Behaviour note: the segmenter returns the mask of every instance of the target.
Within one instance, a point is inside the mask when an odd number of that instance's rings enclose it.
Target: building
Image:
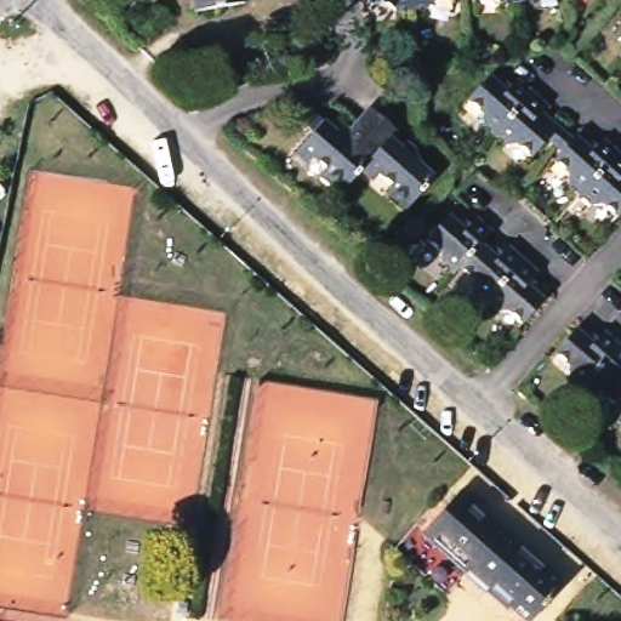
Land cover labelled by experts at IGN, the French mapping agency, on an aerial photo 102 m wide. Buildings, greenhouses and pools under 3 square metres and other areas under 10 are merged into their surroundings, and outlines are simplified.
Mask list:
[[[417,12],[429,12],[434,0],[388,0],[403,10]]]
[[[213,10],[218,0],[177,0],[180,7],[189,5],[199,12]]]
[[[548,87],[543,80],[529,80],[526,75],[517,75],[514,70],[497,68],[490,78],[480,82],[478,90],[473,90],[468,102],[475,102],[475,104],[480,104],[480,109],[483,109],[483,116],[480,116],[480,126],[488,129],[495,138],[502,138],[505,150],[514,160],[517,160],[524,160],[541,150],[541,141],[548,138],[556,148],[556,163],[563,163],[568,167],[568,177],[563,182],[572,184],[575,196],[609,204],[616,209],[616,216],[621,213],[621,133],[602,129],[597,124],[580,121],[580,114],[575,109],[558,104],[553,87]]]
[[[410,257],[410,264],[417,267],[415,279],[422,286],[427,291],[434,291],[439,277],[454,272],[461,274],[456,284],[461,298],[471,301],[471,306],[483,320],[490,320],[500,313],[502,320],[509,325],[524,323],[534,308],[539,308],[546,298],[558,294],[560,284],[548,269],[548,260],[531,243],[502,233],[500,216],[490,209],[492,201],[490,192],[480,187],[480,189],[478,189],[478,206],[475,206],[478,213],[475,218],[463,221],[463,233],[451,235],[444,226],[439,226],[441,245],[432,240],[420,240],[412,243],[405,252]]]
[[[466,485],[454,497],[446,512],[427,529],[425,543],[432,543],[432,548],[437,548],[446,560],[454,563],[454,572],[475,572],[488,585],[488,594],[497,599],[502,606],[541,611],[548,597],[556,597],[577,575],[575,563],[570,563],[560,553],[560,548],[548,539],[546,529],[534,529],[500,495],[495,495],[492,488],[473,478],[471,485]]]
[[[621,449],[621,325],[602,320],[597,315],[587,315],[570,335],[570,340],[553,357],[553,364],[563,374],[568,374],[568,381],[599,400],[602,422],[616,425],[616,441]]]
[[[531,2],[534,7],[541,7],[541,0],[497,0],[514,5]]]
[[[298,167],[301,172],[306,172],[315,184],[332,184],[344,180],[352,182],[361,175],[369,180],[371,189],[395,199],[403,211],[410,209],[427,192],[429,182],[437,182],[449,167],[446,158],[437,148],[417,141],[408,121],[405,104],[383,102],[381,97],[371,107],[361,107],[357,119],[349,126],[344,126],[337,119],[337,112],[327,104],[330,95],[335,92],[335,80],[320,73],[311,80],[284,87],[284,92],[274,99],[306,107],[308,126],[303,126],[296,136],[296,141],[286,150],[286,163],[289,167]]]

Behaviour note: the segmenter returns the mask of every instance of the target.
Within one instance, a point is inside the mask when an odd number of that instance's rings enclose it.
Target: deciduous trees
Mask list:
[[[184,604],[189,570],[196,565],[187,536],[177,534],[175,522],[153,522],[148,526],[143,546],[138,548],[143,553],[143,565],[136,572],[136,582],[150,602]]]
[[[303,49],[308,44],[315,44],[325,32],[337,27],[337,22],[347,15],[344,0],[296,0],[289,7],[294,46]]]
[[[150,46],[155,39],[172,29],[177,24],[177,17],[160,7],[160,0],[95,0],[95,19],[99,15],[119,17],[126,34],[143,46]]]
[[[560,449],[577,458],[587,449],[594,449],[594,444],[599,441],[602,422],[599,400],[568,381],[558,386],[553,393],[548,393],[546,405],[539,405],[534,415],[539,417],[541,429],[536,434],[546,434]]]
[[[446,349],[468,349],[475,352],[478,361],[485,366],[502,364],[509,352],[517,349],[509,325],[502,320],[500,313],[490,320],[483,320],[471,306],[471,301],[461,298],[456,298],[454,303],[429,303],[422,313],[420,332],[444,354]]]
[[[417,267],[410,264],[410,257],[405,252],[364,238],[359,245],[357,262],[349,269],[369,294],[395,298],[400,291],[408,289],[417,294],[422,286],[415,279]]]

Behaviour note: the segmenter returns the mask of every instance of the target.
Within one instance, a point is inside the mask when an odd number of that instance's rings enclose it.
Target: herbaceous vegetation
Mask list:
[[[483,167],[483,175],[488,180],[495,180],[500,175],[497,170],[505,170],[514,160],[505,150],[502,138],[495,138],[495,146],[490,150],[490,165]]]
[[[383,536],[383,541],[398,539],[405,543],[405,534],[420,522],[420,517],[427,509],[432,509],[444,497],[449,485],[454,485],[466,473],[466,468],[473,468],[473,463],[451,446],[451,434],[441,432],[441,425],[429,427],[420,417],[422,410],[415,410],[415,405],[395,400],[376,403],[366,478],[357,512]]]
[[[27,17],[19,15],[7,17],[0,24],[0,39],[32,36],[34,27]]]
[[[434,611],[415,609],[410,611],[412,621],[446,621],[446,606]]]
[[[602,616],[611,614],[621,619],[621,597],[611,592],[599,577],[594,577],[582,587],[582,592],[572,599],[570,606],[589,609]]]
[[[180,53],[218,46],[226,53],[235,85],[240,87],[245,85],[247,65],[257,56],[262,56],[260,49],[245,46],[247,36],[252,32],[260,32],[260,22],[267,22],[272,12],[289,7],[296,0],[218,0],[213,10],[199,12],[189,5],[180,7],[177,0],[160,0],[160,7],[177,17],[177,24],[172,29],[180,36],[172,46]]]
[[[73,611],[80,609],[82,592],[97,594],[99,582],[136,582],[136,572],[143,565],[143,553],[138,548],[143,546],[148,526],[153,522],[82,507],[75,570],[65,606]]]
[[[391,587],[403,572],[403,568],[395,565],[398,556],[398,551],[391,551],[381,543],[378,556],[383,589]]]
[[[458,138],[451,129],[454,116],[439,112],[434,104],[437,90],[449,70],[449,63],[454,61],[456,46],[466,46],[471,39],[468,15],[463,10],[449,17],[446,22],[432,19],[429,12],[417,12],[415,19],[395,22],[395,32],[412,36],[415,41],[415,51],[405,63],[408,70],[422,80],[422,85],[429,92],[427,126],[432,126],[446,143],[451,143],[454,138]]]
[[[485,366],[478,361],[475,352],[468,349],[446,349],[444,354],[456,369],[461,369],[471,378],[478,378]]]
[[[604,478],[594,488],[606,500],[611,500],[621,512],[621,488],[616,485],[616,480]]]
[[[126,58],[138,56],[143,46],[126,34],[119,17],[99,15],[95,19],[95,0],[68,0],[70,7]]]
[[[495,34],[492,49],[505,46],[514,5],[497,0],[480,0],[480,5],[485,7],[480,27]]]
[[[102,180],[109,184],[124,184],[133,189],[119,296],[192,306],[204,311],[218,311],[226,315],[216,371],[228,376],[228,393],[221,417],[211,492],[180,500],[175,505],[175,522],[177,534],[187,536],[196,565],[199,575],[209,582],[213,570],[226,563],[230,548],[230,517],[226,512],[226,495],[230,483],[230,458],[245,378],[262,383],[260,378],[267,371],[286,371],[308,378],[369,386],[371,374],[361,369],[357,361],[352,361],[347,352],[337,342],[332,342],[323,330],[313,327],[286,298],[281,298],[279,294],[269,296],[264,291],[255,291],[252,269],[233,250],[223,247],[192,213],[187,213],[180,206],[172,211],[158,209],[153,204],[153,194],[148,192],[150,177],[146,177],[126,158],[121,158],[114,146],[109,146],[97,131],[92,131],[61,99],[56,99],[51,85],[36,87],[27,97],[10,102],[5,107],[5,119],[0,121],[0,279],[22,177],[32,180],[34,172],[53,172],[68,177]]]
[[[357,262],[359,245],[364,238],[405,252],[412,243],[420,240],[432,240],[441,245],[439,226],[444,226],[451,235],[463,233],[463,221],[475,218],[478,213],[475,206],[471,206],[471,209],[463,209],[463,206],[458,206],[456,201],[454,201],[454,199],[434,201],[427,192],[410,209],[403,211],[395,199],[371,189],[369,180],[361,175],[352,182],[344,180],[332,184],[342,192],[347,216],[361,230],[349,233],[335,223],[335,218],[325,218],[318,213],[315,199],[311,194],[303,194],[301,189],[291,187],[279,175],[264,172],[262,160],[252,150],[235,148],[228,155],[230,163],[240,172],[245,172],[257,189],[262,189],[274,204],[279,204],[313,240],[318,240],[349,269]]]
[[[621,449],[616,441],[616,425],[602,422],[599,441],[609,456],[621,458]]]
[[[556,7],[556,0],[541,0],[541,7],[539,24],[546,29],[558,27],[560,12]]]
[[[548,138],[541,141],[541,150],[524,160],[517,160],[524,167],[524,184],[546,184],[546,172],[556,163],[556,148]]]
[[[563,374],[553,364],[553,357],[570,340],[570,335],[558,332],[553,342],[543,349],[543,357],[526,374],[526,378],[517,383],[517,388],[534,398],[539,405],[546,405],[548,393],[553,393],[558,386],[568,381],[568,374]]]
[[[262,155],[272,158],[277,165],[286,163],[286,150],[296,141],[296,136],[286,136],[281,131],[269,131],[262,136],[262,146],[267,146]]]
[[[434,291],[427,291],[422,286],[417,294],[408,289],[400,291],[395,298],[400,298],[412,311],[410,327],[420,332],[422,313],[429,303],[454,303],[456,298],[461,298],[456,284],[461,274],[454,272],[439,277]]]
[[[582,0],[587,27],[580,41],[572,46],[565,44],[558,56],[577,65],[585,73],[585,78],[604,87],[621,104],[621,0]],[[597,34],[604,36],[606,49],[599,53],[599,61],[589,65],[582,58],[577,58],[577,53],[587,49]]]

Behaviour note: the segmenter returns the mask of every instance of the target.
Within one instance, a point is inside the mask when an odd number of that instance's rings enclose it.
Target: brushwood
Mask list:
[[[240,87],[235,85],[226,53],[218,46],[180,53],[172,46],[153,61],[148,78],[175,107],[184,112],[211,109],[235,97]]]
[[[548,218],[546,230],[563,240],[570,250],[575,250],[580,260],[594,255],[621,228],[621,213],[616,216],[611,221],[582,221],[572,216],[568,209],[560,209],[553,192],[546,184],[524,184],[524,167],[517,160],[514,160],[505,170],[497,170],[500,175],[495,180],[488,180],[483,175],[483,167],[490,165],[490,150],[495,146],[495,138],[488,129],[480,126],[478,126],[478,129],[473,129],[473,126],[468,126],[466,121],[463,121],[466,102],[468,102],[473,90],[478,90],[480,82],[490,78],[497,68],[514,70],[517,65],[522,65],[522,61],[536,56],[558,56],[565,44],[572,46],[580,41],[587,27],[582,0],[556,0],[556,7],[560,12],[558,27],[546,29],[539,24],[541,7],[534,7],[531,2],[514,5],[505,46],[492,49],[495,34],[480,27],[485,7],[480,5],[480,0],[456,0],[463,10],[468,15],[471,39],[466,46],[456,46],[454,61],[449,63],[449,70],[437,90],[434,104],[439,112],[454,116],[451,129],[458,138],[454,138],[451,143],[446,143],[432,126],[427,126],[429,92],[422,85],[422,80],[408,70],[405,63],[415,51],[415,41],[412,36],[395,32],[395,22],[376,22],[376,17],[366,17],[361,27],[354,27],[354,36],[366,39],[366,75],[378,87],[383,87],[381,97],[383,102],[405,104],[408,121],[417,141],[437,148],[446,158],[449,167],[437,182],[429,182],[427,192],[434,201],[454,199],[456,199],[456,196],[461,196],[463,192],[466,192],[466,189],[468,189],[468,187],[471,187],[471,184],[480,184],[480,187],[490,192],[492,201],[531,201]]]
[[[599,441],[594,444],[594,449],[587,449],[577,458],[580,463],[599,468],[604,478],[616,480],[616,485],[621,488],[621,458],[609,456]]]
[[[209,582],[199,575],[196,565],[189,570],[184,604],[189,611],[184,621],[209,621],[204,611],[209,604]]]
[[[570,606],[558,621],[621,621],[621,619],[611,614],[602,616],[589,609]]]
[[[410,611],[415,609],[434,611],[446,606],[446,597],[434,587],[429,570],[415,570],[405,558],[398,556],[395,565],[403,568],[403,572],[391,587],[383,589],[378,599],[378,614],[374,621],[412,621]]]
[[[238,112],[223,124],[226,138],[221,150],[226,150],[228,155],[235,148],[252,150],[262,160],[264,172],[279,175],[291,187],[301,189],[303,194],[311,194],[315,199],[318,213],[325,218],[335,218],[335,223],[349,233],[361,230],[347,216],[342,192],[332,184],[315,184],[306,172],[301,172],[298,167],[289,167],[286,163],[277,165],[272,158],[262,155],[267,146],[262,146],[262,136],[269,131],[281,131],[286,136],[296,136],[303,126],[308,126],[306,107],[274,99],[257,109]]]
[[[582,58],[589,65],[599,61],[599,53],[606,49],[604,36],[597,34],[587,49],[577,53],[577,58]]]
[[[257,56],[247,65],[245,85],[284,87],[311,80],[320,73],[323,63],[332,63],[342,51],[344,39],[337,34],[337,27],[325,32],[315,44],[308,44],[303,49],[294,46],[289,7],[272,12],[267,22],[260,22],[260,32],[252,32],[247,36],[245,46],[260,49],[262,56]]]

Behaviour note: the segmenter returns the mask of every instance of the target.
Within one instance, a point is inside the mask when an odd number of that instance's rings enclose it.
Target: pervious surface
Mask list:
[[[82,592],[80,609],[73,611],[65,606],[58,621],[184,621],[189,611],[184,604],[150,602],[136,582],[99,582],[97,594]]]

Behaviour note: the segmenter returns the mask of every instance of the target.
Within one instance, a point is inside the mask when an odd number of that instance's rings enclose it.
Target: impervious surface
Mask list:
[[[463,209],[471,209],[471,206],[475,206],[478,206],[478,189],[480,189],[480,187],[480,184],[471,184],[471,187],[468,187],[468,189],[466,189],[466,192],[463,192],[461,196],[456,196],[456,199],[454,199],[454,201],[456,201],[458,206],[463,206]]]
[[[563,163],[556,163],[546,172],[546,184],[553,192],[560,209],[568,209],[572,216],[582,221],[611,221],[616,216],[616,209],[609,204],[575,196],[572,184],[563,182],[568,177],[568,167]]]
[[[478,126],[480,126],[480,116],[483,116],[483,109],[480,109],[480,104],[475,104],[475,102],[468,102],[466,102],[463,121],[466,121],[468,126],[473,126],[473,129],[478,129]]]
[[[432,19],[446,22],[449,17],[463,10],[456,0],[434,0],[429,12]]]
[[[383,87],[378,87],[366,75],[366,39],[354,36],[354,27],[361,27],[366,17],[376,17],[376,22],[395,22],[415,19],[417,12],[403,10],[388,0],[344,0],[347,15],[337,22],[337,27],[337,34],[344,39],[342,51],[332,63],[323,63],[320,73],[335,80],[335,92],[330,95],[327,104],[337,112],[337,119],[344,126],[349,126],[357,119],[361,107],[371,107],[381,97]]]
[[[517,75],[526,75],[529,80],[543,80],[548,87],[553,87],[558,104],[575,109],[580,114],[580,121],[597,124],[602,129],[621,133],[621,104],[604,87],[585,78],[585,73],[577,65],[558,56],[536,56],[522,61],[522,65],[517,65],[514,70]]]
[[[332,342],[337,342],[347,352],[352,361],[357,361],[361,369],[371,374],[369,386],[308,378],[286,371],[267,371],[260,378],[262,383],[245,378],[230,458],[230,483],[226,495],[226,512],[230,517],[230,548],[226,563],[213,570],[209,582],[209,604],[204,611],[209,621],[374,621],[378,614],[378,599],[383,589],[378,556],[381,543],[391,551],[398,551],[398,556],[405,558],[415,570],[429,570],[434,587],[446,597],[446,606],[446,621],[558,621],[570,606],[572,599],[582,592],[582,587],[594,577],[599,577],[611,592],[621,597],[621,512],[611,500],[606,500],[594,488],[604,478],[599,468],[580,463],[577,458],[560,449],[546,434],[536,434],[541,429],[539,417],[534,415],[539,405],[534,398],[517,388],[517,383],[526,378],[526,374],[543,357],[543,349],[553,342],[558,332],[570,335],[587,315],[597,315],[602,320],[621,325],[621,228],[594,255],[580,260],[575,250],[570,250],[563,240],[546,230],[548,218],[531,201],[492,201],[490,209],[500,216],[502,233],[531,243],[548,260],[548,269],[560,284],[558,294],[546,298],[539,308],[534,308],[524,323],[509,325],[517,349],[509,352],[502,364],[485,366],[478,378],[471,378],[461,369],[456,369],[444,354],[420,332],[410,327],[412,311],[400,298],[395,298],[369,294],[349,269],[318,240],[313,240],[279,204],[274,204],[262,189],[257,189],[245,172],[240,172],[230,163],[228,155],[226,150],[221,150],[226,138],[223,124],[238,112],[257,109],[274,99],[284,92],[284,87],[245,85],[240,87],[235,97],[211,109],[184,112],[175,107],[148,78],[153,61],[172,46],[180,36],[172,29],[155,39],[150,46],[143,46],[138,56],[126,58],[70,7],[68,0],[0,0],[0,24],[7,17],[19,15],[27,17],[34,27],[32,36],[0,39],[0,121],[5,119],[5,107],[10,102],[27,97],[36,87],[51,85],[56,99],[61,99],[92,131],[97,131],[109,146],[114,146],[121,158],[126,158],[146,177],[150,177],[148,192],[153,194],[153,204],[158,209],[172,211],[180,206],[187,213],[192,213],[223,247],[233,250],[252,269],[255,291],[264,291],[269,296],[279,294],[281,298],[286,298],[313,327],[323,330]],[[473,468],[466,468],[466,473],[454,485],[449,485],[444,497],[432,509],[427,509],[420,517],[420,522],[405,534],[405,543],[398,539],[383,541],[383,536],[357,512],[366,478],[376,403],[395,400],[415,405],[415,410],[422,410],[420,417],[429,427],[441,425],[441,432],[451,434],[451,446],[473,463]],[[570,563],[575,563],[577,575],[556,597],[548,597],[541,611],[502,606],[497,599],[488,594],[488,585],[475,572],[454,572],[454,563],[446,560],[437,548],[432,548],[432,543],[425,543],[427,529],[446,512],[454,497],[466,485],[471,485],[473,478],[492,488],[495,495],[500,495],[534,529],[546,529],[548,539],[560,548],[560,553]]]
[[[192,306],[119,296],[133,189],[124,184],[109,184],[102,180],[68,177],[53,172],[34,172],[32,180],[22,177],[0,279],[0,621],[58,621],[65,606],[75,570],[82,507],[153,522],[175,522],[175,505],[180,500],[211,492],[221,417],[228,393],[228,376],[216,371],[226,315],[218,311],[204,311]]]

